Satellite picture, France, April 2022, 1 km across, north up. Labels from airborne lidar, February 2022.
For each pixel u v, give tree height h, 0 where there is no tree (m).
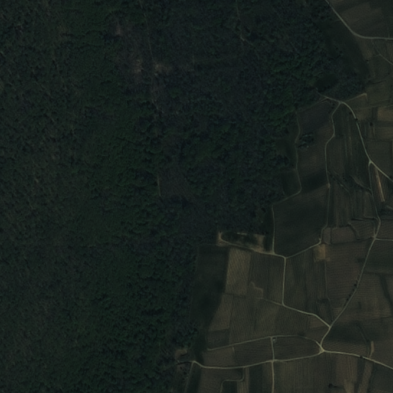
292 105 23
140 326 26
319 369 0
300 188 0
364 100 0
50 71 26
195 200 12
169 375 21
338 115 0
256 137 20
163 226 24
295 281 0
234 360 0
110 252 27
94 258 27
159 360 23
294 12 23
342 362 0
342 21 0
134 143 27
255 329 0
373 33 0
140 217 29
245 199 24
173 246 28
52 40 26
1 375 27
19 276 27
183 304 26
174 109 29
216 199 24
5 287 29
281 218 0
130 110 24
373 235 0
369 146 0
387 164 0
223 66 26
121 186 19
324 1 15
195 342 21
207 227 22
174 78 24
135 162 28
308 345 0
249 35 8
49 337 26
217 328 0
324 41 18
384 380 0
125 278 23
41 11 28
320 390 0
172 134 24
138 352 30
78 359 26
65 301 27
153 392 25
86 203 24
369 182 0
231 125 28
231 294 0
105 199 26
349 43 0
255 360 0
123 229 27
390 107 0
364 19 0
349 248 0
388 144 0
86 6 28
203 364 0
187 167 27
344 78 18
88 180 24
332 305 0
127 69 18
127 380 24
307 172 0
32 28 29
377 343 0
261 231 9
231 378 0
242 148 29
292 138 0
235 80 25
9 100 29
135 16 28
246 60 24
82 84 22
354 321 0
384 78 0
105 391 28
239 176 28
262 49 23
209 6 29
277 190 15
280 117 20
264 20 22
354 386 0
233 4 30
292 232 0
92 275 26
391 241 0
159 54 19
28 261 27
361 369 0
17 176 27
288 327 0
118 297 23
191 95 28
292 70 27
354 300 0
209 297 0
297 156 0
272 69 20
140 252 17
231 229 18
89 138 27
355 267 0
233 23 20
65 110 28
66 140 27
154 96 27
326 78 0
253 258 0
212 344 0
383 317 0
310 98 25
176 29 23
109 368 25
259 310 0
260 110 21
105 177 26
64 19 29
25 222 29
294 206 0
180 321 28
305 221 0
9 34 28
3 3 30
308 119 0
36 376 26
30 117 25
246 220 27
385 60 0
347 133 0
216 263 0
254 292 0
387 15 0
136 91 19
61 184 28
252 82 30
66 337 26
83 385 27
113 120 22
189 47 30
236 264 0
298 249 0
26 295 27
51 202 32
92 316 26
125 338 18
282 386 0
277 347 0
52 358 27
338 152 0
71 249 29
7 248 27
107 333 13
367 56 0
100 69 26
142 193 28
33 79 28
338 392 0
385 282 0
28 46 30
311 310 0
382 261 0
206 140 28
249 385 0
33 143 28
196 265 9
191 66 29
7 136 25
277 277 0
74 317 26
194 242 17
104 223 21
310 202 0
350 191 0
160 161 27
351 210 0
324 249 0
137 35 25
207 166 29
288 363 0
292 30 6
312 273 0
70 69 25
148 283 29
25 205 28
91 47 25
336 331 0
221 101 22
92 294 26
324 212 0
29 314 28
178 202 28
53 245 27
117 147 23
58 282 28
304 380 0
